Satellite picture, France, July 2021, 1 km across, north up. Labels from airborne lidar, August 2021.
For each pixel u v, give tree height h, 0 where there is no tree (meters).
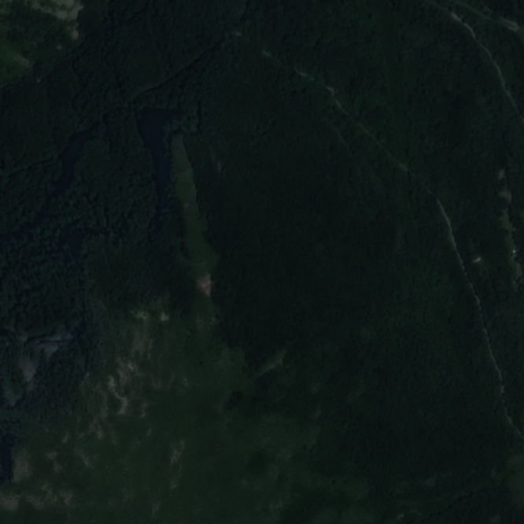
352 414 18
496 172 18
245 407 9
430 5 10
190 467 0
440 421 17
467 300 13
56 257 15
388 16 6
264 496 0
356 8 14
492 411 7
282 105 23
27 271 8
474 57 11
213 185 19
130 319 6
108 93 15
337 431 18
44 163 15
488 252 16
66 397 8
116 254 14
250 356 19
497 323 17
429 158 23
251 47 20
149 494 0
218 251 11
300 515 6
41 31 18
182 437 0
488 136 15
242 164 22
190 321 0
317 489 8
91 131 6
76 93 18
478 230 11
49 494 0
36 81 23
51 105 28
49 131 26
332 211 17
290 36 25
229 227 19
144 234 22
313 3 36
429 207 15
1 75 7
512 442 11
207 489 0
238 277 16
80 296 11
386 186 13
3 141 20
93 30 24
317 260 17
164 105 28
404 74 11
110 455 0
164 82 14
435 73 11
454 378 13
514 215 15
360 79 18
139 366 0
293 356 17
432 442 17
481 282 14
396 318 9
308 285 16
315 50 21
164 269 19
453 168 10
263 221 23
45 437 0
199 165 14
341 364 13
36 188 27
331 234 18
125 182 28
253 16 21
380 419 14
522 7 13
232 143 18
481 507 17
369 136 18
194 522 0
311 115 28
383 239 14
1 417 0
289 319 14
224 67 23
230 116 22
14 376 7
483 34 15
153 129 22
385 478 6
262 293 19
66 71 30
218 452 0
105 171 31
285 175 23
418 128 10
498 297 18
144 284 12
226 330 16
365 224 20
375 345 16
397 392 14
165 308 6
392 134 11
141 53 34
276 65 16
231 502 0
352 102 11
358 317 9
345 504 6
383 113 20
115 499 0
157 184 24
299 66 10
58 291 20
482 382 7
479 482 14
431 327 13
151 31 32
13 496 0
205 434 0
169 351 0
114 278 12
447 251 9
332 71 25
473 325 16
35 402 9
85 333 20
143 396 0
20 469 0
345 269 15
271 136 28
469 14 12
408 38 12
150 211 21
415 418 20
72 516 0
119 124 22
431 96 15
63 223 19
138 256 15
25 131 33
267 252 21
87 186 27
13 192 30
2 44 0
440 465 10
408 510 7
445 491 9
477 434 16
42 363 10
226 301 10
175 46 33
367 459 9
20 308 22
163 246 18
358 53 18
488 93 21
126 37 33
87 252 11
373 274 10
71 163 12
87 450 0
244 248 18
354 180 20
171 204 12
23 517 0
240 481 0
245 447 0
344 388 13
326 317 16
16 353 11
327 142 19
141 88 22
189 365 0
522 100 15
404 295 12
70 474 0
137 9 31
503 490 11
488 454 18
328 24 19
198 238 0
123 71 29
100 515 0
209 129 10
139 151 21
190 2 20
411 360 13
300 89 9
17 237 23
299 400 6
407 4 12
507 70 11
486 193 12
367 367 14
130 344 0
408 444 18
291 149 24
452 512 11
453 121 12
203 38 26
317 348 8
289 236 24
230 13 13
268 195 18
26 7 19
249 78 21
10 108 27
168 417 0
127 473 0
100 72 31
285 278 18
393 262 13
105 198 30
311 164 22
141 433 0
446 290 10
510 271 13
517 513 10
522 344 15
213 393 0
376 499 13
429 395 16
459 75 17
